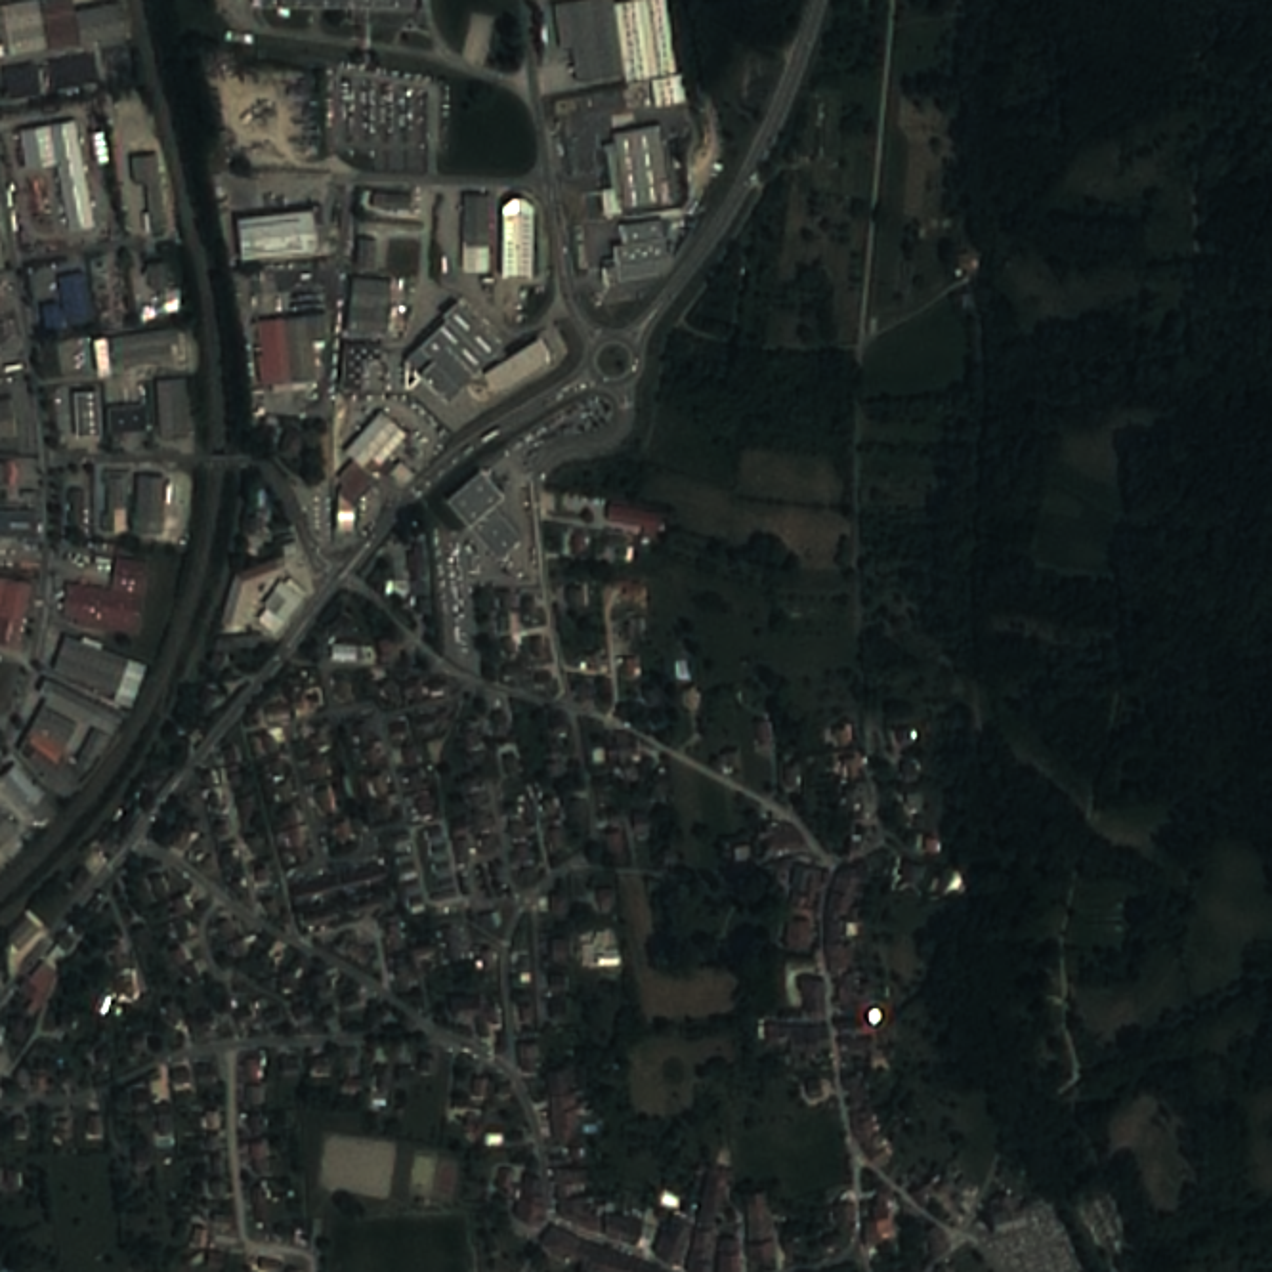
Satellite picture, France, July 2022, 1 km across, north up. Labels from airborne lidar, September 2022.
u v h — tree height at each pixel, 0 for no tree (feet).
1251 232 53
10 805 0
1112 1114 29
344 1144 0
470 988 40
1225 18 47
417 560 0
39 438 0
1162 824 0
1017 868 45
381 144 0
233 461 0
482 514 0
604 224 0
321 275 0
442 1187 0
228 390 32
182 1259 18
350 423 0
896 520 20
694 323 20
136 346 0
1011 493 93
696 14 49
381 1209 0
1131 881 48
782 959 34
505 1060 0
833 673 24
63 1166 0
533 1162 34
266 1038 0
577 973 0
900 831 26
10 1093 36
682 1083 0
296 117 0
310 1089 47
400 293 0
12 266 23
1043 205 52
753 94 0
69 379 0
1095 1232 0
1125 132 62
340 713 0
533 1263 47
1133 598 64
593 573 38
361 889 28
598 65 0
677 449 0
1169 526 64
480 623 27
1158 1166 0
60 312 0
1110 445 0
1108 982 41
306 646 42
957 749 48
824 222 23
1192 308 58
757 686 23
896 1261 25
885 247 0
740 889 65
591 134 0
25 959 0
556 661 0
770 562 58
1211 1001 37
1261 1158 0
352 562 0
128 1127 25
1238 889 0
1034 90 38
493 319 0
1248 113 33
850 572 30
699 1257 0
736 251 35
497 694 0
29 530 0
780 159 25
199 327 27
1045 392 61
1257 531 81
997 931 66
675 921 65
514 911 0
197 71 36
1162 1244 53
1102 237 71
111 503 0
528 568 0
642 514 0
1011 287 0
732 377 31
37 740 0
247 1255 0
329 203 0
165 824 37
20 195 0
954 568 61
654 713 42
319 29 0
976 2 56
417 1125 0
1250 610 79
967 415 36
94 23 0
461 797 28
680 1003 0
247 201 0
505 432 0
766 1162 0
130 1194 33
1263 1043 46
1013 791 58
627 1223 0
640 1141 21
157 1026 23
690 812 0
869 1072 25
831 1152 0
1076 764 50
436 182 0
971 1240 0
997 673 35
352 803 26
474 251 0
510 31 68
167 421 0
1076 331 60
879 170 0
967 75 60
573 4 0
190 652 0
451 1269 0
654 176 0
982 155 75
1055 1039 38
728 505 0
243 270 44
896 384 0
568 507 0
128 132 0
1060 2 71
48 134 0
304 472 40
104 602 0
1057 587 55
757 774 0
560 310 0
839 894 0
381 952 0
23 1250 21
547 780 28
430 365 0
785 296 24
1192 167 28
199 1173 25
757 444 38
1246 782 60
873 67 25
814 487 0
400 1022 25
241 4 0
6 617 0
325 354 0
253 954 24
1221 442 82
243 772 33
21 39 0
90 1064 24
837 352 35
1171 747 46
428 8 0
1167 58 61
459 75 0
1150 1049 57
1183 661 64
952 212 28
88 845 21
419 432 0
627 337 0
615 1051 31
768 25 56
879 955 19
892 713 43
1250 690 75
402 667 31
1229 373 64
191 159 34
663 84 0
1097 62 63
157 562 0
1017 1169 21
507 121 0
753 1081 18
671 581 0
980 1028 55
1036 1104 49
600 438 0
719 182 0
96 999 0
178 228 23
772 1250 0
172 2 27
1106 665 39
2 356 0
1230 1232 22
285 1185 24
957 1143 43
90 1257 0
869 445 27
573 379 0
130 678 0
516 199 0
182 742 31
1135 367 62
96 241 0
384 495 0
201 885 0
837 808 31
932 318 0
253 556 28
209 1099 24
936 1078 31
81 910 44
